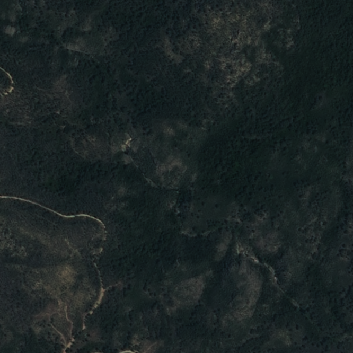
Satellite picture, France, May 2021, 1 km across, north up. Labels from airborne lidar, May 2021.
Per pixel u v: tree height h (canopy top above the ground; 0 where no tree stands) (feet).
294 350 25
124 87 51
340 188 25
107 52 41
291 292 27
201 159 39
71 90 52
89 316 62
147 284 53
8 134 73
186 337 63
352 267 39
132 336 50
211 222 60
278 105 69
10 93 37
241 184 34
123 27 69
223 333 58
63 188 59
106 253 60
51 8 55
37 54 48
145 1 63
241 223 86
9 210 41
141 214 67
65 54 25
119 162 65
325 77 39
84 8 75
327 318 67
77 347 0
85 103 47
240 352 65
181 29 33
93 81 81
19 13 78
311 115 23
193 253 30
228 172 48
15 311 58
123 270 58
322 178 41
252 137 99
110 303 74
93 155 56
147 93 58
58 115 55
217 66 50
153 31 65
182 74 52
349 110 74
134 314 66
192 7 50
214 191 43
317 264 32
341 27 61
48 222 38
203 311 64
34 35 27
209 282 25
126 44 76
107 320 75
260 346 50
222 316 46
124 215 19
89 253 50
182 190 36
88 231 45
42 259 45
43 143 72
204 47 37
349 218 50
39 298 33
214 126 25
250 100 45
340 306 21
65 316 0
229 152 43
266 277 24
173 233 44
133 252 23
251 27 36
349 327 81
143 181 46
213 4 45
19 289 54
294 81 44
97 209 46
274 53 22
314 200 21
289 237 30
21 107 45
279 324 77
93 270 54
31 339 58
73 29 60
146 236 26
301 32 64
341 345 26
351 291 57
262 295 21
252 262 21
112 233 46
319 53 20
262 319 18
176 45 45
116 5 55
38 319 0
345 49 56
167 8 59
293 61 24
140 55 55
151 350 0
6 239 40
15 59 38
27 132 77
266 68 55
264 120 72
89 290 37
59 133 40
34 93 34
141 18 85
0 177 38
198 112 54
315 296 22
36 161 72
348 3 78
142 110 66
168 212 20
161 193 28
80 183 67
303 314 65
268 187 35
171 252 27
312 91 27
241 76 19
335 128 55
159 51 54
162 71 54
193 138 42
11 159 57
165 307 53
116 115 72
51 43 49
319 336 19
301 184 76
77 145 50
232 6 33
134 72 56
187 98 55
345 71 51
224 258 30
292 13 37
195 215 56
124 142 21
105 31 41
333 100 19
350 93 18
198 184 30
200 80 22
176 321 58
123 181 29
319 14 68
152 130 41
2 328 33
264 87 36
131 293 20
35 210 53
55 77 37
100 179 72
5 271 42
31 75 52
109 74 22
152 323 51
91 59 19
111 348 20
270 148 19
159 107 71
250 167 33
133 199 26
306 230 46
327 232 33
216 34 45
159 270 23
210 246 33
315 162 21
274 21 54
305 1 61
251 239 46
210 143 41
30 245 44
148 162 21
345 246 60
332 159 26
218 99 56
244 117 29
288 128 45
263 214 39
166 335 76
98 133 45
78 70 63
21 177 57
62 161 41
